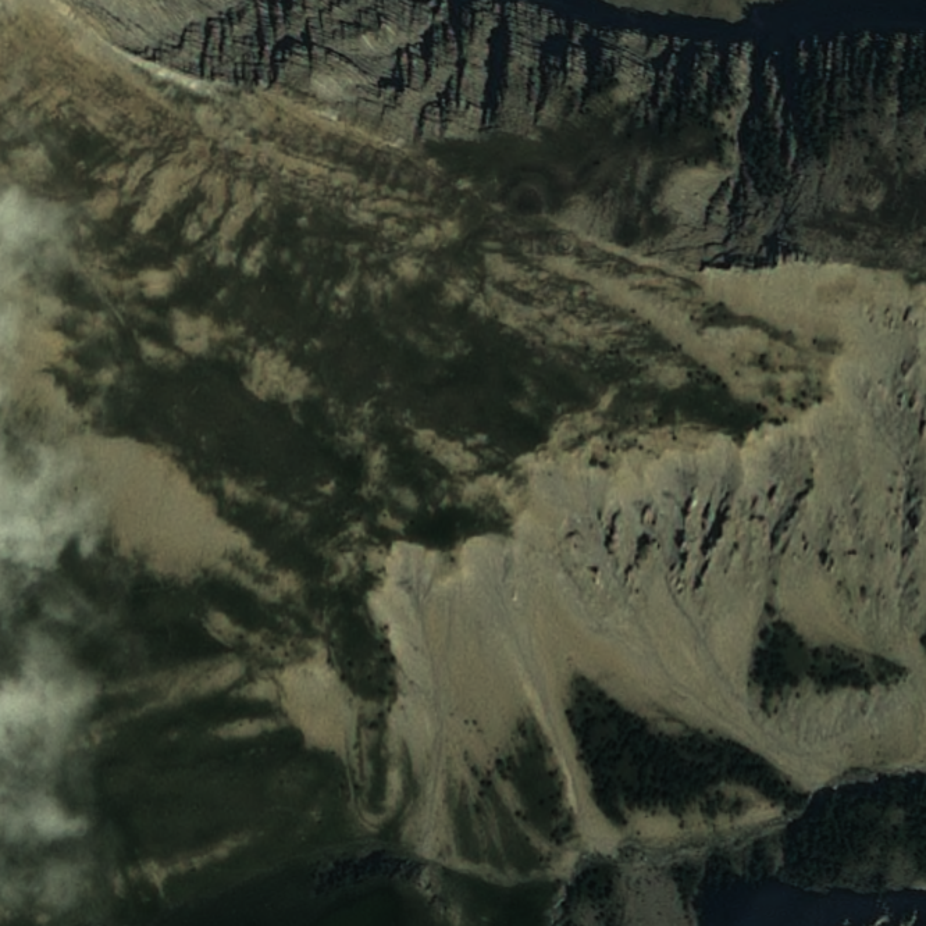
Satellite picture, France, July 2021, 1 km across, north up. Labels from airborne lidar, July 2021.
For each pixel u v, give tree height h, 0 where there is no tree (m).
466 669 0
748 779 7
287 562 0
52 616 0
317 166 0
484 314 0
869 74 7
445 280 0
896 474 0
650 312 0
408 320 0
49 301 0
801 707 0
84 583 0
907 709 0
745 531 0
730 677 0
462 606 0
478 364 0
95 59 0
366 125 0
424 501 0
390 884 0
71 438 0
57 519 0
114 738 0
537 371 0
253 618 0
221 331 0
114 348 0
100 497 0
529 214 0
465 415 0
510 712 0
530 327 0
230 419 0
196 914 0
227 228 0
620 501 0
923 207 0
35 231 0
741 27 0
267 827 0
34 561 0
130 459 0
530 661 0
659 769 16
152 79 0
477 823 0
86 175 0
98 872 0
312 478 0
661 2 0
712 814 12
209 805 0
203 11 0
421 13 0
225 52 0
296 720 0
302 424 0
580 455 0
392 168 0
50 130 0
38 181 0
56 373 0
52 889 0
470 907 0
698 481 0
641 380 0
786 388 0
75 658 0
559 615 0
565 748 0
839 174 0
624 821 9
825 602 0
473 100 0
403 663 0
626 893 0
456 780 0
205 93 0
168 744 0
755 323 0
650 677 0
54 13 0
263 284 0
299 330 0
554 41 0
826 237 0
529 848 0
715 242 0
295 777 0
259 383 0
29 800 0
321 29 0
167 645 0
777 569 0
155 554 0
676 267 0
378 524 0
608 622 0
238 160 0
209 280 0
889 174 0
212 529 0
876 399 0
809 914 0
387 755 0
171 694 0
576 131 0
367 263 0
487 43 0
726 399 0
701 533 0
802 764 0
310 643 0
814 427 0
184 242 0
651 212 0
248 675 0
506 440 0
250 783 0
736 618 0
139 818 0
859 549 0
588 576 0
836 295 0
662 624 0
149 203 0
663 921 0
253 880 0
